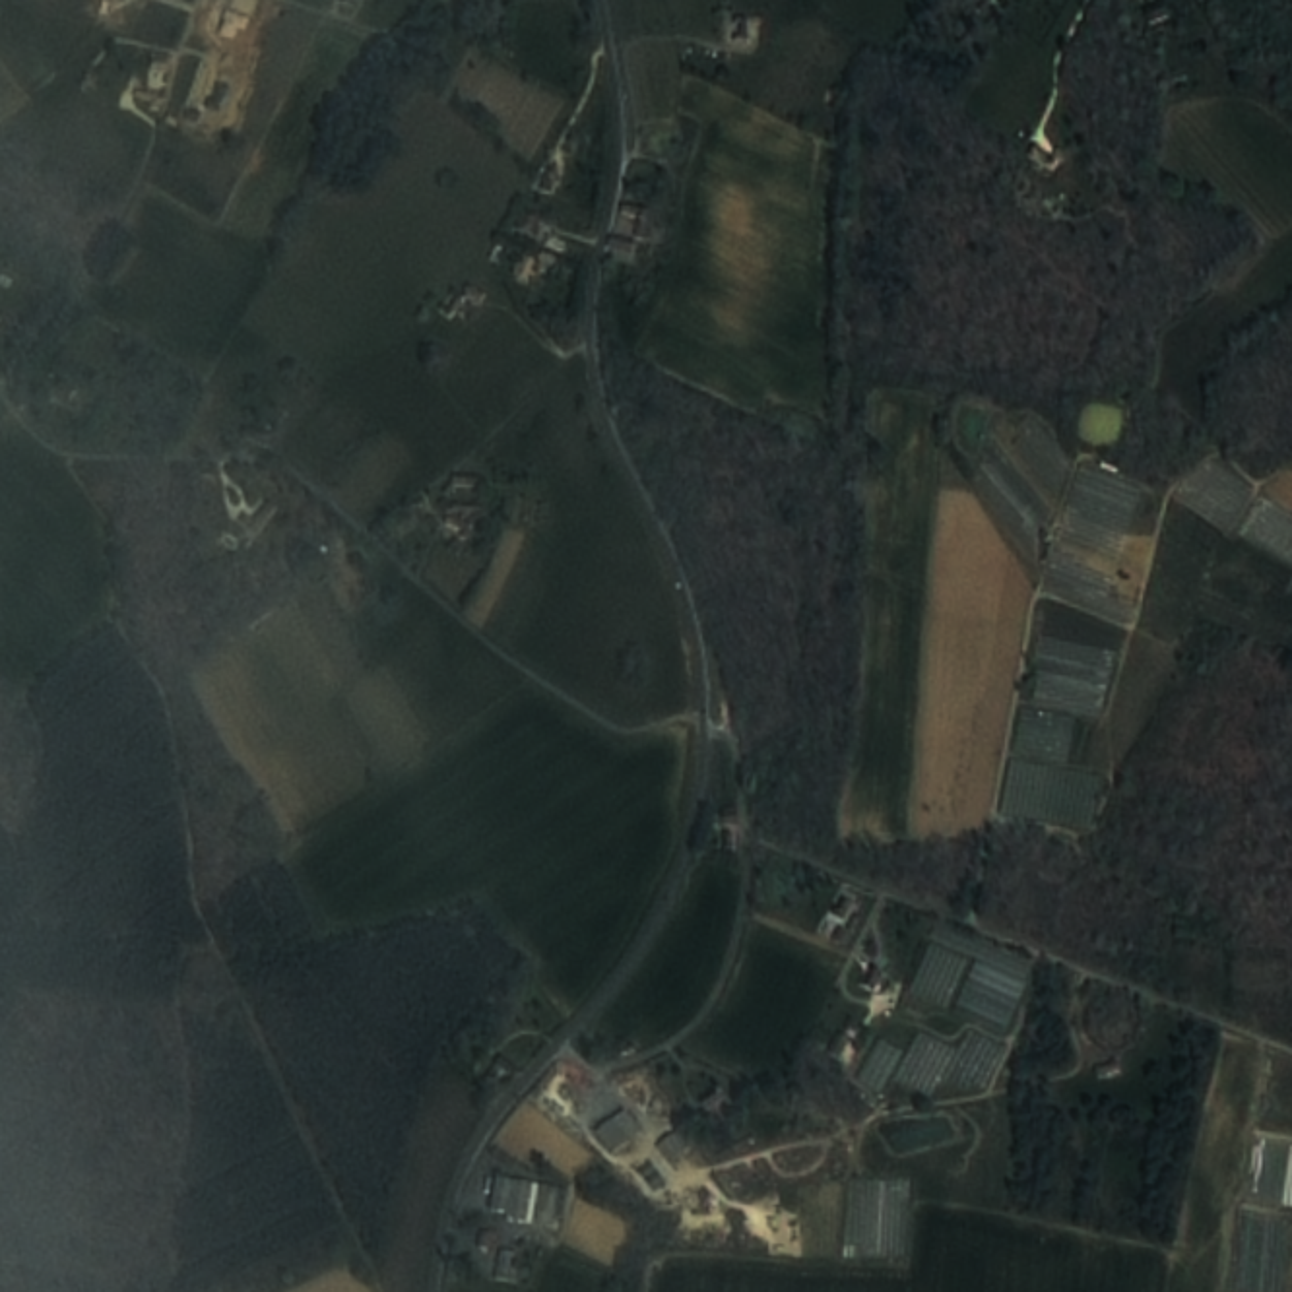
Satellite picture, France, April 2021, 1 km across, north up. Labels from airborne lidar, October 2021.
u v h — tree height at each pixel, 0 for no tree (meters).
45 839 15
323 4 0
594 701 0
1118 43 11
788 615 12
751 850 12
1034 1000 9
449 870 0
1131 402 11
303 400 0
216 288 0
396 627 0
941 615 0
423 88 13
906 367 11
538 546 0
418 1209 0
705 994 0
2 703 20
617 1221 15
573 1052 0
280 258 19
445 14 11
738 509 14
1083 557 0
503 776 0
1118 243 12
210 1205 13
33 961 16
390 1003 14
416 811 0
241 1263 14
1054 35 0
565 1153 0
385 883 0
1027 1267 0
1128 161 11
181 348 0
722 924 0
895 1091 0
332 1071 13
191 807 17
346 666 0
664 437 18
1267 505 0
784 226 0
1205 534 0
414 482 0
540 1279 0
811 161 0
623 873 0
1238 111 0
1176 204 9
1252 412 14
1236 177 0
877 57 15
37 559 0
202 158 0
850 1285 0
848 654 11
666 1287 0
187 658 12
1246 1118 0
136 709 13
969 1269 0
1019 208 9
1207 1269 0
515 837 0
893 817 0
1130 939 8
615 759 0
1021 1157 13
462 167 0
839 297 15
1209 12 10
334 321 0
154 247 0
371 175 19
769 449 16
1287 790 11
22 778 20
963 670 0
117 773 12
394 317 0
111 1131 8
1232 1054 0
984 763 0
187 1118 16
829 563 16
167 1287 13
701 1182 0
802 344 0
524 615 0
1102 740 0
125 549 17
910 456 0
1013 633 0
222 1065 13
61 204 20
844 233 13
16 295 0
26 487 0
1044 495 0
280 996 11
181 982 9
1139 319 10
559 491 0
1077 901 6
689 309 0
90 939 15
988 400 13
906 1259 0
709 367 0
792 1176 0
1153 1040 0
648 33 0
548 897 0
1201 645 9
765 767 15
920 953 0
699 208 0
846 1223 0
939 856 14
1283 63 7
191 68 0
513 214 7
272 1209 14
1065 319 12
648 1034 0
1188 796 11
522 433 0
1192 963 0
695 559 18
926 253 11
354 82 13
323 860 0
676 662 0
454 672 0
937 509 0
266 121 0
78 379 0
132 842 14
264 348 0
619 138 0
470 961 14
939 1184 0
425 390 0
